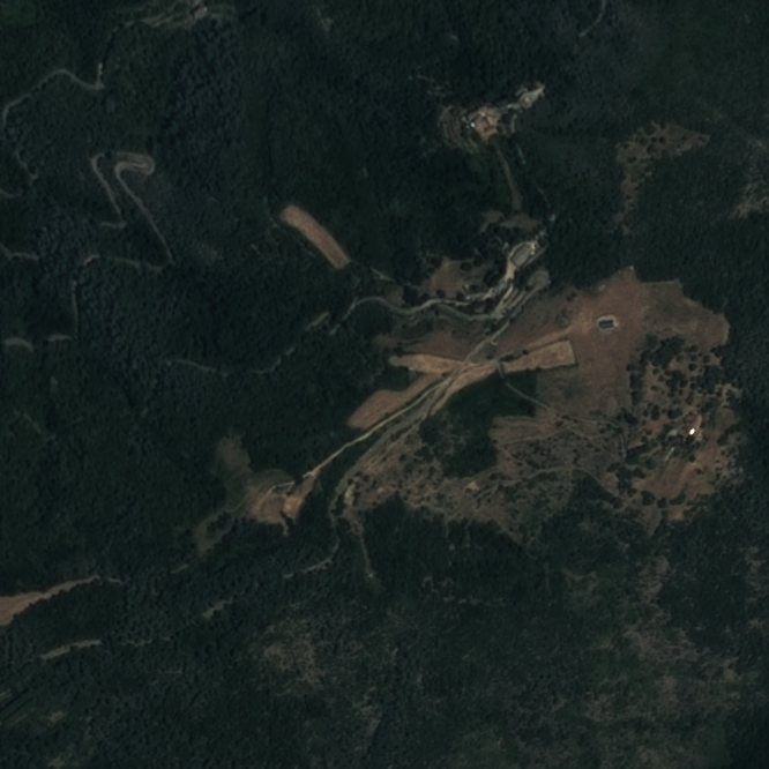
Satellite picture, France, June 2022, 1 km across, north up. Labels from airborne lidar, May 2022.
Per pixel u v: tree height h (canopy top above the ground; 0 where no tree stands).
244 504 0
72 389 13
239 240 14
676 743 7
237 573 17
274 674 8
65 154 8
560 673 8
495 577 11
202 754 20
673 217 10
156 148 23
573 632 7
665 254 8
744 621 9
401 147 7
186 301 19
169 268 15
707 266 13
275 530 12
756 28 8
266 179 9
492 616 7
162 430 14
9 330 8
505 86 8
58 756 13
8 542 13
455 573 14
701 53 6
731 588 11
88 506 11
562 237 13
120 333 10
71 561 8
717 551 8
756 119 9
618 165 5
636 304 0
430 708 7
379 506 8
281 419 12
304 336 16
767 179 9
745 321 18
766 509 19
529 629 7
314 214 10
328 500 12
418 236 8
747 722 15
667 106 6
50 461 12
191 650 9
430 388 0
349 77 21
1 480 13
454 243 9
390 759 8
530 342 0
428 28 14
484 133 0
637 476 9
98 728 22
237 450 0
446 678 8
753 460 10
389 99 10
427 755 8
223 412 11
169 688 14
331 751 11
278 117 13
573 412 0
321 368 10
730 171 10
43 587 10
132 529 20
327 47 10
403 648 18
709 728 12
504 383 9
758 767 24
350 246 9
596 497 7
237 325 21
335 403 8
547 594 14
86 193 6
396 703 9
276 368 9
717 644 8
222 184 16
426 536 9
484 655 6
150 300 13
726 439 7
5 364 8
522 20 10
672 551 6
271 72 10
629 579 6
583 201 7
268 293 11
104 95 6
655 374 8
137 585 17
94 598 15
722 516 8
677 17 0
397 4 6
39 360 16
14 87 10
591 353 0
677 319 0
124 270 13
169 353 11
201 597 24
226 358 14
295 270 11
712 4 7
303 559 20
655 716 6
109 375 13
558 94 7
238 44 25
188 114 6
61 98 9
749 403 20
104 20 11
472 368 0
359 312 7
